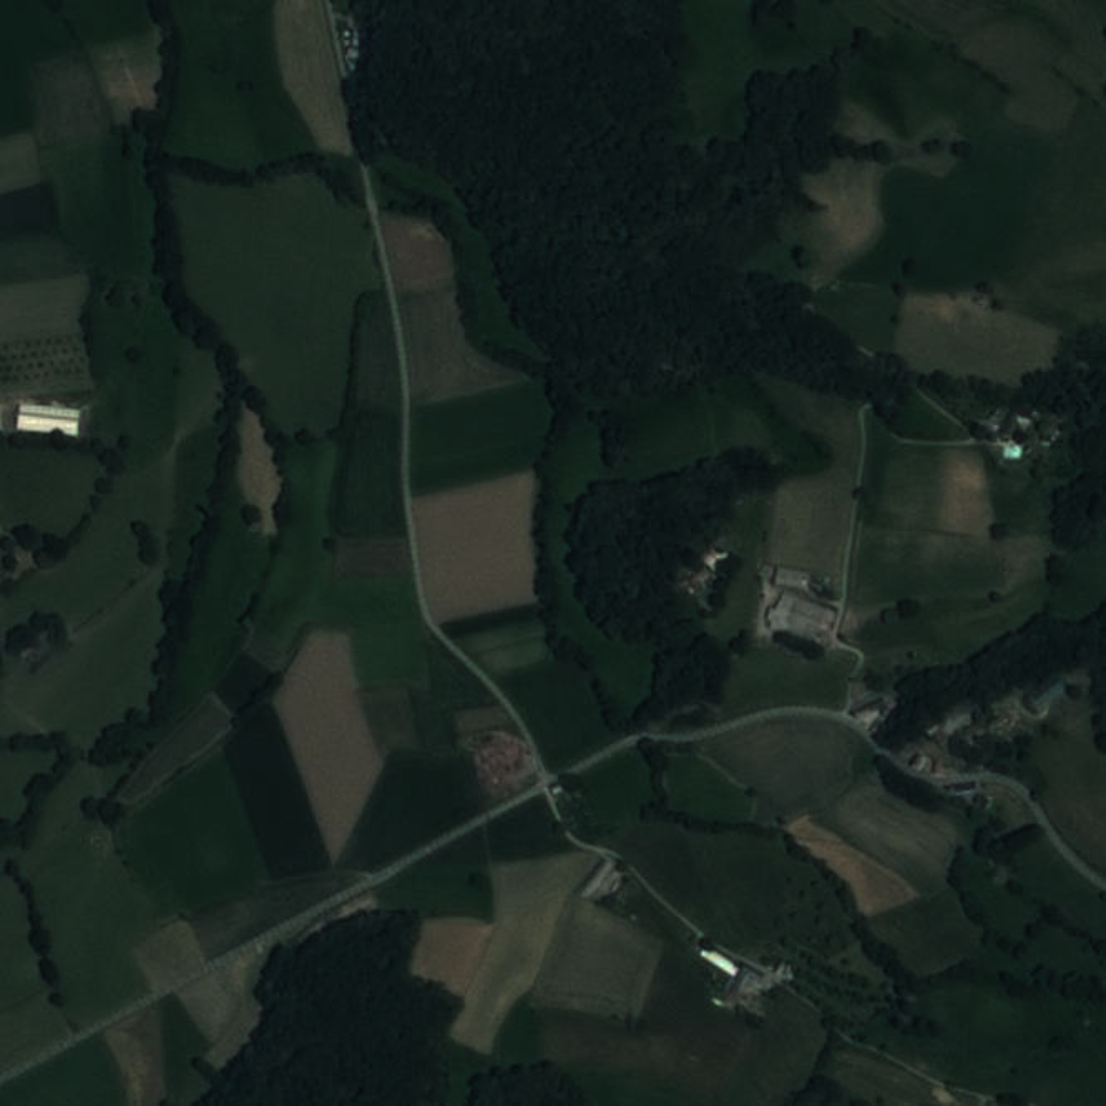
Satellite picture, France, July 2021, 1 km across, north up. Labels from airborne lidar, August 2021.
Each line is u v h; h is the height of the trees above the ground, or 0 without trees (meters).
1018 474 0
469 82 22
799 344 20
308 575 0
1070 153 0
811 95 24
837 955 0
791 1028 0
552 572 21
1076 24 0
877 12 0
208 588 0
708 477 22
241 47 0
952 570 0
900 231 0
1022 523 0
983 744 9
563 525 0
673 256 29
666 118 24
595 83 25
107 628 0
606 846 0
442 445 0
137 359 12
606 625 22
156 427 0
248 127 0
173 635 18
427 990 12
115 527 0
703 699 15
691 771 0
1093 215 0
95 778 0
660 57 21
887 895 0
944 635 0
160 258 13
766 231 25
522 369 7
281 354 0
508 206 25
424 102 15
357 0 14
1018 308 0
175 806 0
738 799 0
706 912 0
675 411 0
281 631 0
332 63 0
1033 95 0
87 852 0
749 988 0
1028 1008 0
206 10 0
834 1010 12
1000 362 0
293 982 18
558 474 0
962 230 0
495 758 0
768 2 17
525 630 0
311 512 0
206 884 0
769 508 0
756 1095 0
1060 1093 0
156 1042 0
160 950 0
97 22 0
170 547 7
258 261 0
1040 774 0
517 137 22
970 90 0
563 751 0
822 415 0
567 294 24
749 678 0
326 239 0
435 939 0
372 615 0
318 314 0
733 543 0
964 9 0
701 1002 0
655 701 15
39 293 0
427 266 0
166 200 13
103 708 0
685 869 0
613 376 26
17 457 0
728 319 26
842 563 0
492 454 0
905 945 0
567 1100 16
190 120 0
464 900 0
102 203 0
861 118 0
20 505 0
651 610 16
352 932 22
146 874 0
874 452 0
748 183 27
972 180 0
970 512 0
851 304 0
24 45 0
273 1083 22
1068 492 23
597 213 20
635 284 26
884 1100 8
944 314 0
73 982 0
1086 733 0
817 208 10
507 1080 23
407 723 0
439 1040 21
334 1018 23
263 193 0
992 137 0
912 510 0
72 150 0
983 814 10
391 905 0
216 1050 0
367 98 18
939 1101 0
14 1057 0
